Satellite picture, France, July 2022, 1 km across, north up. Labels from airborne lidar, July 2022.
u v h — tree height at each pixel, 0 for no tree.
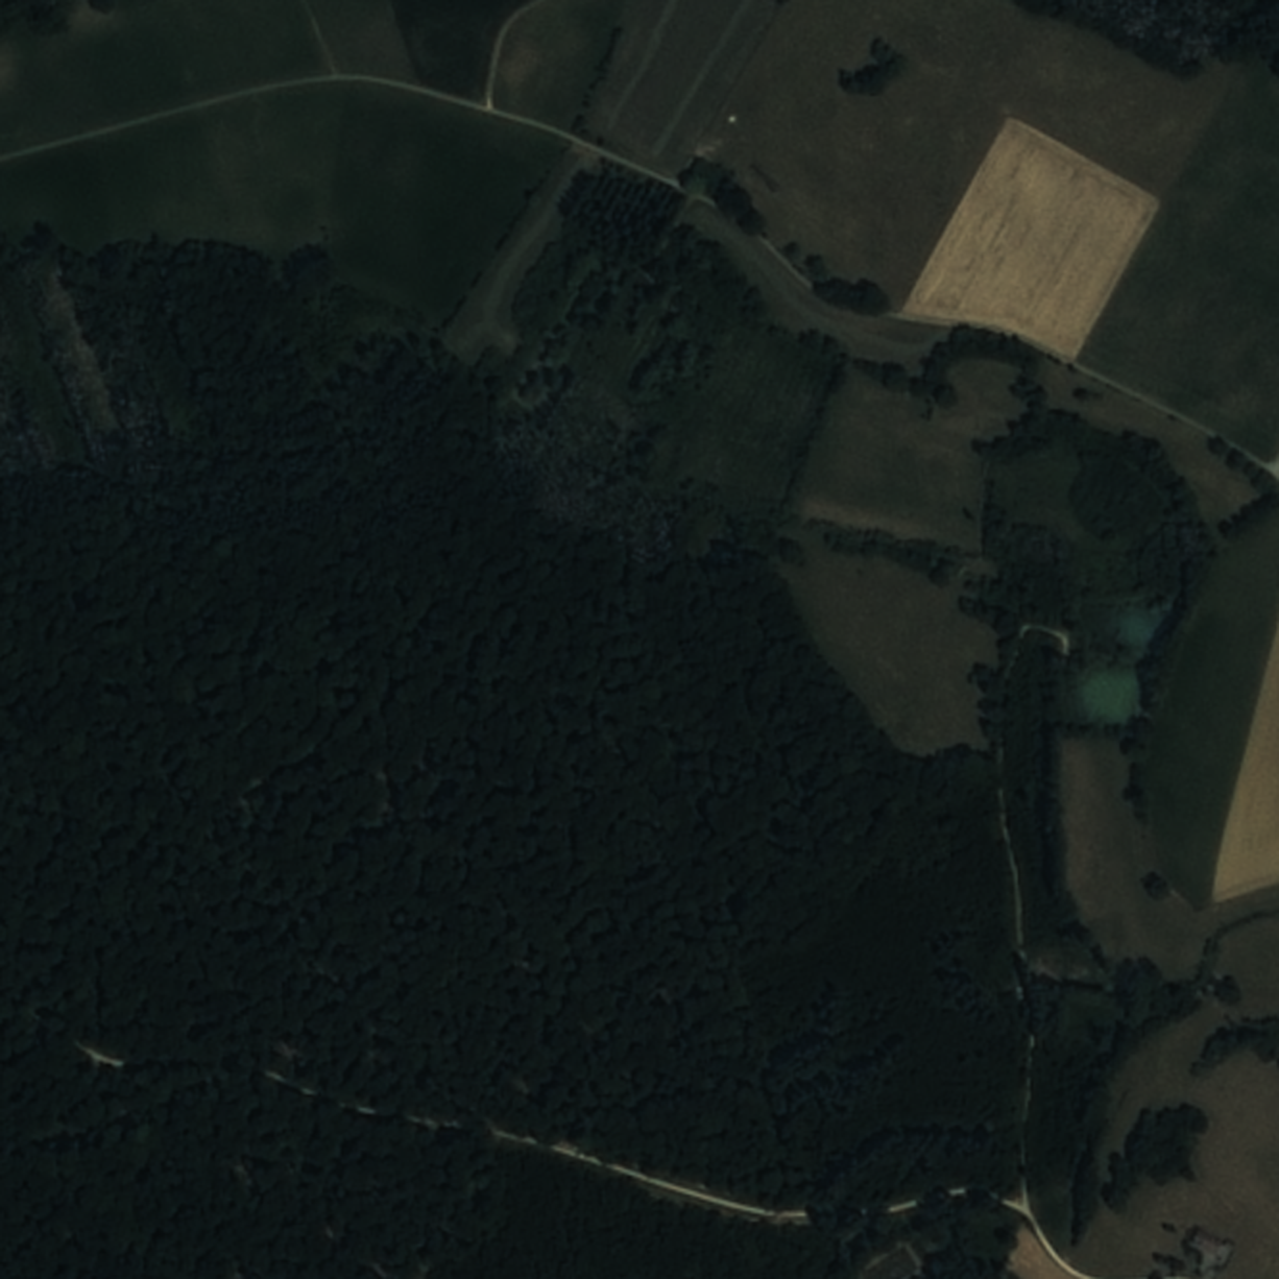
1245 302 0
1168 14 32
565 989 24
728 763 27
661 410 6
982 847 7
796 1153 29
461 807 31
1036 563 8
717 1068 27
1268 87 0
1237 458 19
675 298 23
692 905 31
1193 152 0
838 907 31
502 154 0
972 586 9
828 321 0
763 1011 7
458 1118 28
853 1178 28
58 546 30
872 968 9
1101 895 0
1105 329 0
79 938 33
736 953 29
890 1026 10
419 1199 27
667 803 30
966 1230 26
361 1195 27
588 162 0
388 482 19
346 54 0
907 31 0
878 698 0
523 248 0
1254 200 0
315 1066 24
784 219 0
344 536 21
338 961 29
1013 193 0
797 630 18
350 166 0
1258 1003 0
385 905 27
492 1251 7
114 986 29
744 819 28
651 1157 23
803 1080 6
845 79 7
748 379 0
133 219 0
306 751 29
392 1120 21
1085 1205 21
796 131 0
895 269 0
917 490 0
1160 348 0
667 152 0
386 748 30
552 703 29
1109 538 15
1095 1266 0
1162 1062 0
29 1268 26
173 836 29
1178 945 0
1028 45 0
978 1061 8
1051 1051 12
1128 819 0
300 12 0
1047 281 0
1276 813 0
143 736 30
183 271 24
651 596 27
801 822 27
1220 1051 10
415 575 27
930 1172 29
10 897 29
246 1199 28
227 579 25
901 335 0
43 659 31
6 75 0
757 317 12
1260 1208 0
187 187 0
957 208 0
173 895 31
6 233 23
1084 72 0
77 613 34
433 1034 29
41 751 29
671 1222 8
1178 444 0
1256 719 0
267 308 26
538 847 23
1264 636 0
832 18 0
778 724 24
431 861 26
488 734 28
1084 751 0
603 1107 27
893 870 8
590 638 27
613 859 30
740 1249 8
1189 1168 11
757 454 0
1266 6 15
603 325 23
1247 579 0
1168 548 12
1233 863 0
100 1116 29
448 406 22
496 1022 30
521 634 28
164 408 18
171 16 0
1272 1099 0
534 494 26
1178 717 0
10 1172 30
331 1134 26
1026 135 0
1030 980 27
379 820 32
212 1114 26
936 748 0
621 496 30
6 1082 29
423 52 0
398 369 25
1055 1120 7
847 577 0
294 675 31
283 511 24
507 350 0
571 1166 7
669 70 0
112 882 32
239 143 0
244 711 33
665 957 28
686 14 0
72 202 0
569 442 23
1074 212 0
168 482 22
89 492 21
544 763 31
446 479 21
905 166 0
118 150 0
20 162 0
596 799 29
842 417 0
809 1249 11
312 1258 26
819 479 0
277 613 29
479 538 26
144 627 31
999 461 10
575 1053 30
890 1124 10
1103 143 0
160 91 0
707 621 31
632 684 27
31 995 31
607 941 25
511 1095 31
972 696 0
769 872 24
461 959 29
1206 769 0
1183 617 20
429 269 0
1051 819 30
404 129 0
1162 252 0
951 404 19
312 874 28
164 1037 26
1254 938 0
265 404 25
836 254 0
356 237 0
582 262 11
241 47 0
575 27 0
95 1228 26
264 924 29
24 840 28
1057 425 19
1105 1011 0
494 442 27
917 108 0
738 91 0
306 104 0
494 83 0
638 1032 29
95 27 0
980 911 8
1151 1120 12
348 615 24
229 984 26
